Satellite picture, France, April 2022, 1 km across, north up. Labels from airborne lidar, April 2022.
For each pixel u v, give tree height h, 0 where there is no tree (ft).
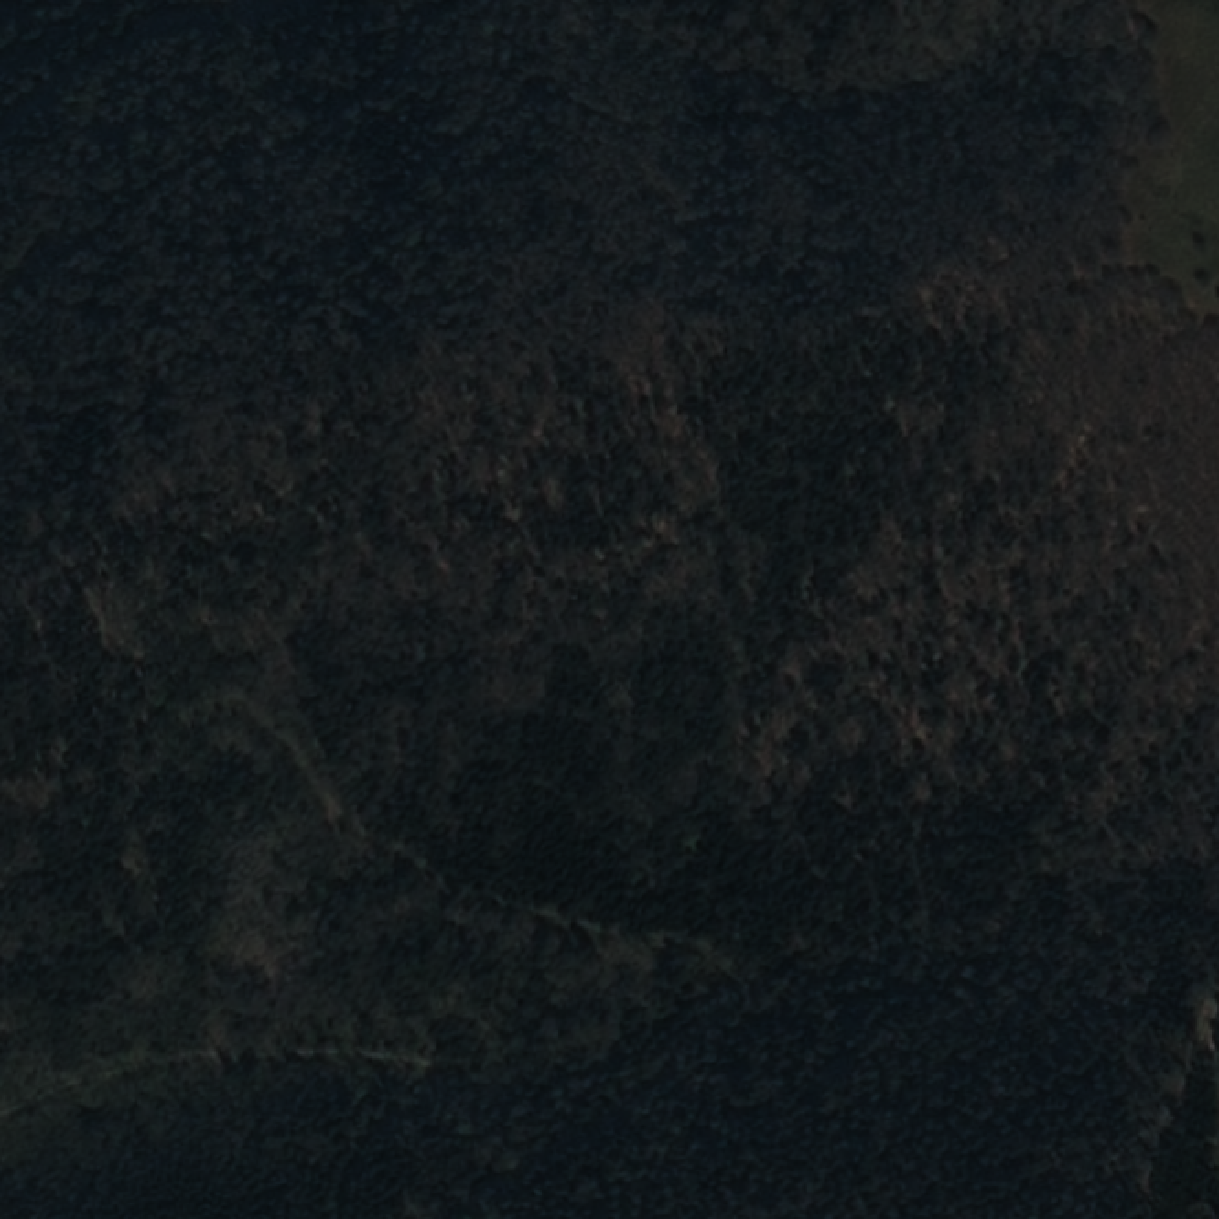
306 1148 78
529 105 80
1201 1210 127
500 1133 108
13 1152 72
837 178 80
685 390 71
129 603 91
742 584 123
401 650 76
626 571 85
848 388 94
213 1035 98
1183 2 0
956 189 73
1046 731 80
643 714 91
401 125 41
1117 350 55
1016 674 83
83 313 93
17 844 68
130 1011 95
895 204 57
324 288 94
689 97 103
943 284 63
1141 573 65
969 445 66
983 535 75
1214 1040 0
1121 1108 108
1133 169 40
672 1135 101
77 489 83
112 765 74
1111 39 63
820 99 82
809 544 44
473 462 58
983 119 88
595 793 76
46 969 119
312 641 77
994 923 93
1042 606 60
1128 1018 87
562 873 82
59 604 91
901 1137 96
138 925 129
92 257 94
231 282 75
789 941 108
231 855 109
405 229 94
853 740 64
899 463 87
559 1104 86
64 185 94
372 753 79
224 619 98
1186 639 86
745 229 101
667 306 78
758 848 84
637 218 87
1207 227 0
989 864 101
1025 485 63
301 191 115
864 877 78
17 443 79
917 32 84
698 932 89
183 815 110
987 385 66
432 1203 100
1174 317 37
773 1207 107
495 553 73
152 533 68
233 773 97
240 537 78
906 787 86
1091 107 26
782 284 65
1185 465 66
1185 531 74
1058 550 46
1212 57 0
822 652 72
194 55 111
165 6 37
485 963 78
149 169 107
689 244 95
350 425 77
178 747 110
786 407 43
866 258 76
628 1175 80
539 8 90
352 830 73
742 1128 105
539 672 83
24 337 91
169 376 43
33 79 105
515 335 85
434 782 68
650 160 73
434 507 55
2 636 87
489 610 86
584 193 74
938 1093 106
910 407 64
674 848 77
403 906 79
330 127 105
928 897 80
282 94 99
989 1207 77
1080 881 80
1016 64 71
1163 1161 34
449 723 85
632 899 81
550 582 81
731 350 28
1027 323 66
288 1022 92
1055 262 54
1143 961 89
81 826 103
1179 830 92
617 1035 101
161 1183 81
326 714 79
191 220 90
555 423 58
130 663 87
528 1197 103
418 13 91
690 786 96
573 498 49
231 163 39
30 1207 72
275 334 73
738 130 70
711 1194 97
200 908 112
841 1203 66
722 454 77
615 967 103
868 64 73
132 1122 80
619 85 107
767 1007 96
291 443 75
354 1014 89
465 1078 54
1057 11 58
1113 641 59
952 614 57
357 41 113
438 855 70
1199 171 0
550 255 86
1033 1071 94
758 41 87
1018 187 87
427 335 85
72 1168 97
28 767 43
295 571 83
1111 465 47
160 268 86
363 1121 91
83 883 112
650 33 99
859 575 84
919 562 66
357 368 56
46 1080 71
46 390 94
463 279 74
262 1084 79
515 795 60
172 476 68
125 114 94
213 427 77
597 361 72
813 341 57
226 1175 92
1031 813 53
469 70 91
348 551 100
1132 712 79
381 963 101
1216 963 69
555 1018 98
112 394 77
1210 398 50
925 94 103
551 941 116
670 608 108
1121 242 54
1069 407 67
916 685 84
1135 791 102
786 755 96
